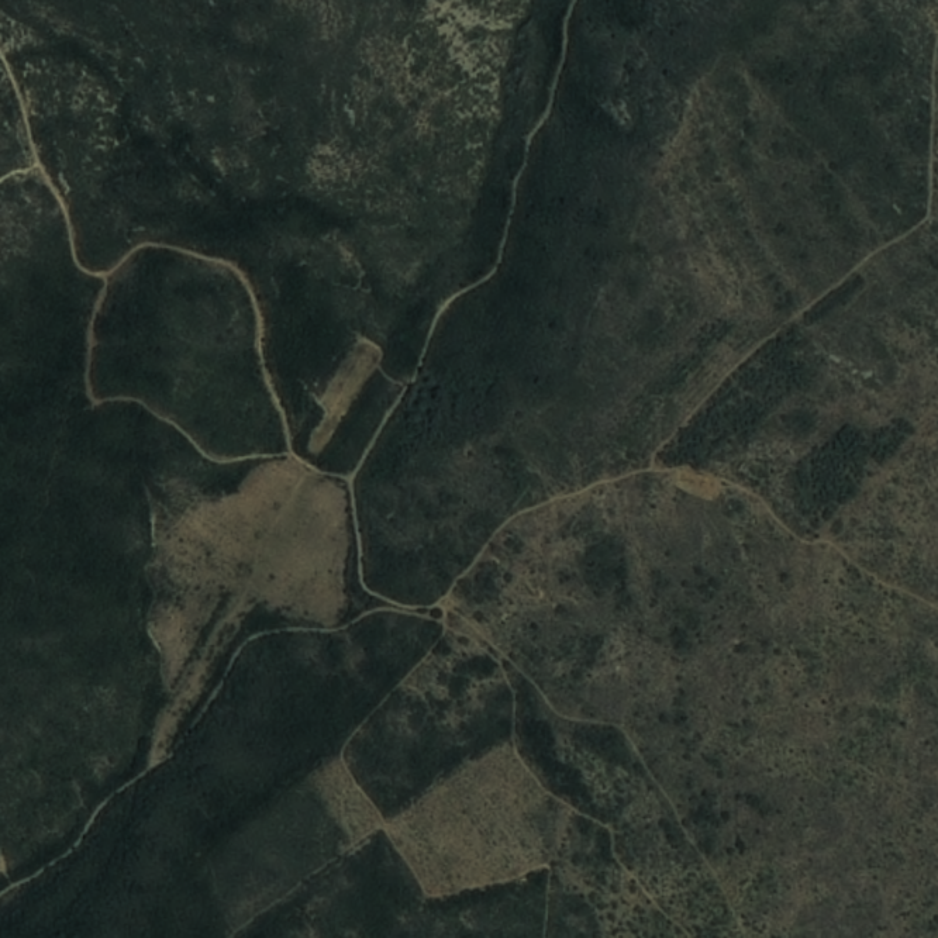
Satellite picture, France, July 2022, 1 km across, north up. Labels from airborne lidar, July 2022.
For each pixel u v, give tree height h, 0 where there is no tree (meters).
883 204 0
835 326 0
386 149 0
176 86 0
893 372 0
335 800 0
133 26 0
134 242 0
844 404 0
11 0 0
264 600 0
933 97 0
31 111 0
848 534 0
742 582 0
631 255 0
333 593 0
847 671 0
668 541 0
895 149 0
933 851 0
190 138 9
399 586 0
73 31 0
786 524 0
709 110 0
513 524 0
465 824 0
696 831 0
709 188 0
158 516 0
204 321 0
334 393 0
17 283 0
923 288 0
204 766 5
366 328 8
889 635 0
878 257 0
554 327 7
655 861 0
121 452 6
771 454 0
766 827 0
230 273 0
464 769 0
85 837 6
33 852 8
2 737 0
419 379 6
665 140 0
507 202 7
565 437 0
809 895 0
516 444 0
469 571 0
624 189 0
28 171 0
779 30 0
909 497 0
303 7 0
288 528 0
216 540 0
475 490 0
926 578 0
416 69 6
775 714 0
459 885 0
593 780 0
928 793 0
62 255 0
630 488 0
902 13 0
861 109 0
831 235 0
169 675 0
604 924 0
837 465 7
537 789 0
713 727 0
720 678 0
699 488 0
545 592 0
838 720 0
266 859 0
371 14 0
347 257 0
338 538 0
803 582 0
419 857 0
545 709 0
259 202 6
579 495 0
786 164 0
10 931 6
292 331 6
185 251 0
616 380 0
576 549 0
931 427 0
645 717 0
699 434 8
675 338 0
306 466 0
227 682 7
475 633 0
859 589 0
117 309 7
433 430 8
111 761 5
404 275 0
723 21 0
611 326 0
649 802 0
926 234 0
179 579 0
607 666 0
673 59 0
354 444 0
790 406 0
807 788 0
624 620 0
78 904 6
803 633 0
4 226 0
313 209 7
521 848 0
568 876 0
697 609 0
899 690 0
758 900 0
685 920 0
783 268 0
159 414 0
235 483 9
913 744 0
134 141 6
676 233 0
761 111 0
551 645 0
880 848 0
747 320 0
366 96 0
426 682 0
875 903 0
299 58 0
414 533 0
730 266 0
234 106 0
